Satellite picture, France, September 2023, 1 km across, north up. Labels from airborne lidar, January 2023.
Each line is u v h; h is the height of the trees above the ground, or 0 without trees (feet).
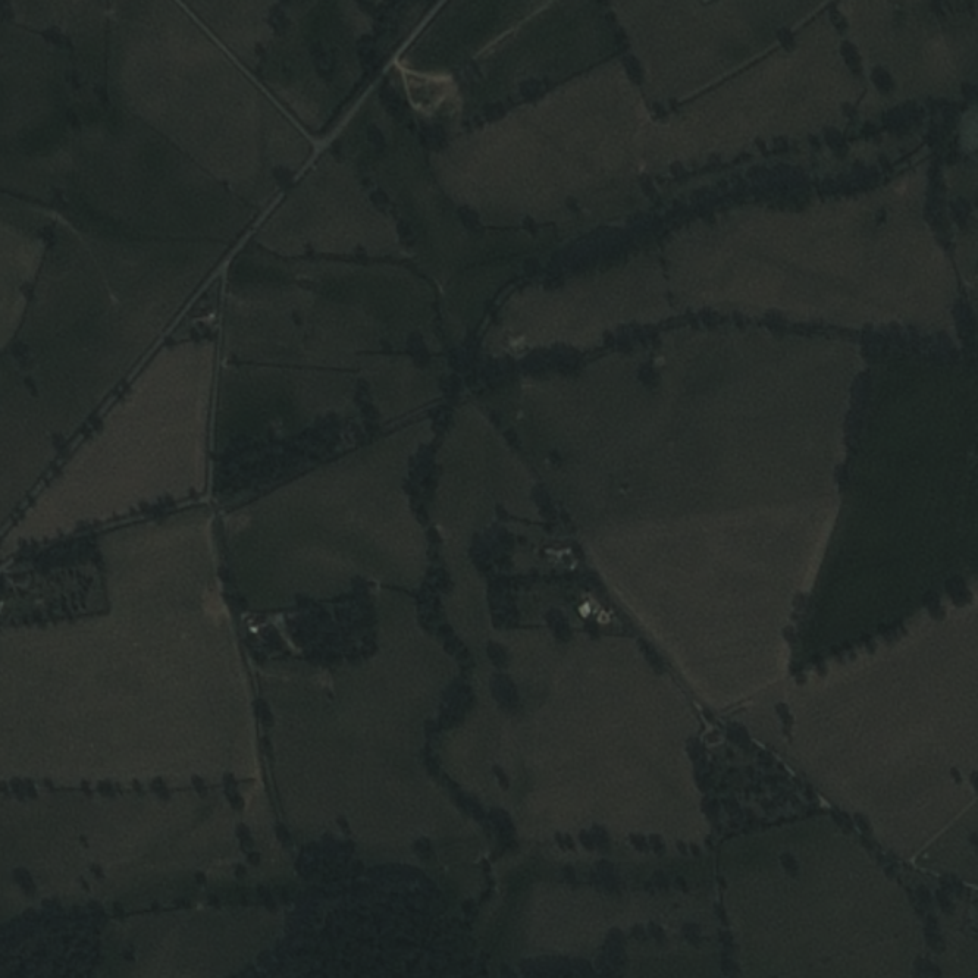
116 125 0
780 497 0
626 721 0
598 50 0
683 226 61
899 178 0
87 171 0
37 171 0
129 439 0
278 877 0
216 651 0
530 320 0
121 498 0
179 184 0
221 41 0
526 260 0
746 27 0
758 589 0
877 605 0
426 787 0
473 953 54
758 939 0
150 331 0
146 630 0
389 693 0
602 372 0
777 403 0
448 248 0
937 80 0
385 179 0
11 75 0
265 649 22
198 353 0
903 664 0
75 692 0
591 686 0
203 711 0
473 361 56
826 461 0
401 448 0
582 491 0
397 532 0
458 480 0
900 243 0
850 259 0
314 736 0
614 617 0
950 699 0
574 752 0
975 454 0
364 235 0
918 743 0
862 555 0
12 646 0
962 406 0
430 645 0
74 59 0
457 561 0
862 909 0
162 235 0
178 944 0
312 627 41
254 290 0
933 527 0
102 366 0
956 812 0
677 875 0
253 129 0
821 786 0
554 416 0
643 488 0
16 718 0
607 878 60
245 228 0
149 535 0
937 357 69
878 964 0
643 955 0
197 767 0
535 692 0
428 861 39
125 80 0
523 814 0
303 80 0
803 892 0
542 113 0
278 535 0
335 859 47
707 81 0
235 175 0
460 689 61
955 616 0
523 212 0
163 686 0
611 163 0
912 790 0
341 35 0
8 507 0
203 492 0
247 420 0
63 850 0
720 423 0
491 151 0
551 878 0
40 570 48
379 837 0
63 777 0
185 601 0
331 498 0
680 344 0
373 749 0
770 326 50
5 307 0
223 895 0
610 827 0
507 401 0
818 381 0
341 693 0
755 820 52
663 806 0
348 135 0
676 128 0
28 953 58
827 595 0
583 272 50
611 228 0
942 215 68
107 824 0
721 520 0
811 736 0
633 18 0
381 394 0
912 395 0
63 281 0
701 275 0
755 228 0
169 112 0
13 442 0
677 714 0
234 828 0
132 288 0
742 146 0
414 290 0
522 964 0
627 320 0
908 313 0
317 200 0
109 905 0
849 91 0
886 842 0
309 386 0
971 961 0
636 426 0
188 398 0
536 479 0
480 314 0
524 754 0
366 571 0
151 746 0
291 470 30
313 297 0
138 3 0
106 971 0
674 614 0
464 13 0
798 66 0
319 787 0
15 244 0
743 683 0
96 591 0
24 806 0
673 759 0
